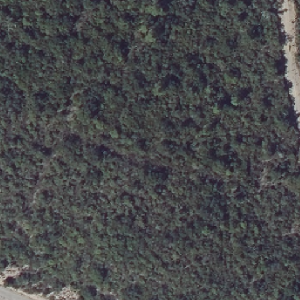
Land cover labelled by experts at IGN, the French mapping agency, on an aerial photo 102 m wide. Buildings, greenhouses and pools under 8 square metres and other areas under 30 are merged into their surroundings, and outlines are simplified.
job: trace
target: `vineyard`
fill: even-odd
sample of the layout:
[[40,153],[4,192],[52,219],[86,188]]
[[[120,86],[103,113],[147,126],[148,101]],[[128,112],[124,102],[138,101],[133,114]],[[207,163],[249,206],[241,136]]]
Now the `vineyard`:
[[0,300],[47,300],[41,293],[30,294],[11,286],[0,289]]

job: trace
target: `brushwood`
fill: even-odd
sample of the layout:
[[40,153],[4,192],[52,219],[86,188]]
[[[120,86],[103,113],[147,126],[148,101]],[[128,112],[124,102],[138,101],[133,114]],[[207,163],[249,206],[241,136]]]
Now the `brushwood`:
[[295,62],[296,67],[300,69],[300,0],[288,0],[293,1],[295,5],[298,48]]
[[0,0],[0,289],[11,286],[30,294],[41,293],[47,300],[300,300],[300,114],[294,110],[292,82],[286,79],[286,33],[280,18],[281,14],[284,14],[280,8],[284,0]]

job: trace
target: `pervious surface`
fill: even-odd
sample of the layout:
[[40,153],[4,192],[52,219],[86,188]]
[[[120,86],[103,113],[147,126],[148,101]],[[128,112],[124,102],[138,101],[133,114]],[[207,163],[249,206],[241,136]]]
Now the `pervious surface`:
[[284,14],[281,14],[280,18],[286,33],[286,79],[292,82],[294,110],[300,114],[300,69],[296,67],[295,62],[298,48],[295,5],[293,1],[288,0],[284,0],[280,8]]

